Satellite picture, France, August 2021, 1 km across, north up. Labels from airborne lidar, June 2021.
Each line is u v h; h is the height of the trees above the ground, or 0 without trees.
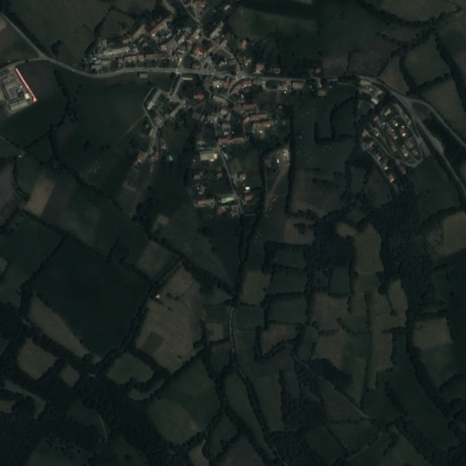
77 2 0
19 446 20
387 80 0
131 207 0
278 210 0
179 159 5
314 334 0
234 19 0
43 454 0
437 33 9
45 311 0
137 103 0
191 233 0
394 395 18
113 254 10
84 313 0
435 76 0
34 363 0
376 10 12
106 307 0
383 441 0
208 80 0
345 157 0
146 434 24
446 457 11
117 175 0
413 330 11
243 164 0
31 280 7
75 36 0
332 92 0
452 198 0
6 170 0
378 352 0
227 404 9
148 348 0
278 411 0
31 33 7
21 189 10
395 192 13
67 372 0
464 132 0
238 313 0
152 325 0
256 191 14
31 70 0
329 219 12
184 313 0
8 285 0
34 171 0
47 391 14
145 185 0
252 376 0
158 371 20
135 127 0
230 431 0
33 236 0
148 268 0
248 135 8
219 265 0
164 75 0
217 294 0
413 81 15
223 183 0
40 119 0
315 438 0
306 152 0
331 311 0
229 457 0
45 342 19
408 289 11
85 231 0
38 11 0
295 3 0
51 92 0
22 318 11
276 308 0
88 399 23
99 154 0
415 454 0
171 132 0
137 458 0
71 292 0
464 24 0
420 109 0
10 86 0
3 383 12
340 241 15
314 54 0
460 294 0
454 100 0
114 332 0
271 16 0
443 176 0
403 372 0
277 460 13
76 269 0
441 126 13
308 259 13
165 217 0
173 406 0
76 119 15
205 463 0
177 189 0
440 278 0
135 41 6
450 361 0
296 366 10
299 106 0
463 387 0
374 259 0
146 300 8
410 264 12
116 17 0
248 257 8
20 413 20
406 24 13
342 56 0
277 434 15
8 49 0
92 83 0
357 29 0
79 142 0
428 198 0
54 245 0
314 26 0
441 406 22
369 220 10
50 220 0
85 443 19
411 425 14
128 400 25
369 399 0
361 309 0
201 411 0
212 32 0
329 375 15
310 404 7
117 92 0
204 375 0
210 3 0
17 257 0
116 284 0
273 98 0
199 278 9
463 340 0
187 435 0
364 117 11
